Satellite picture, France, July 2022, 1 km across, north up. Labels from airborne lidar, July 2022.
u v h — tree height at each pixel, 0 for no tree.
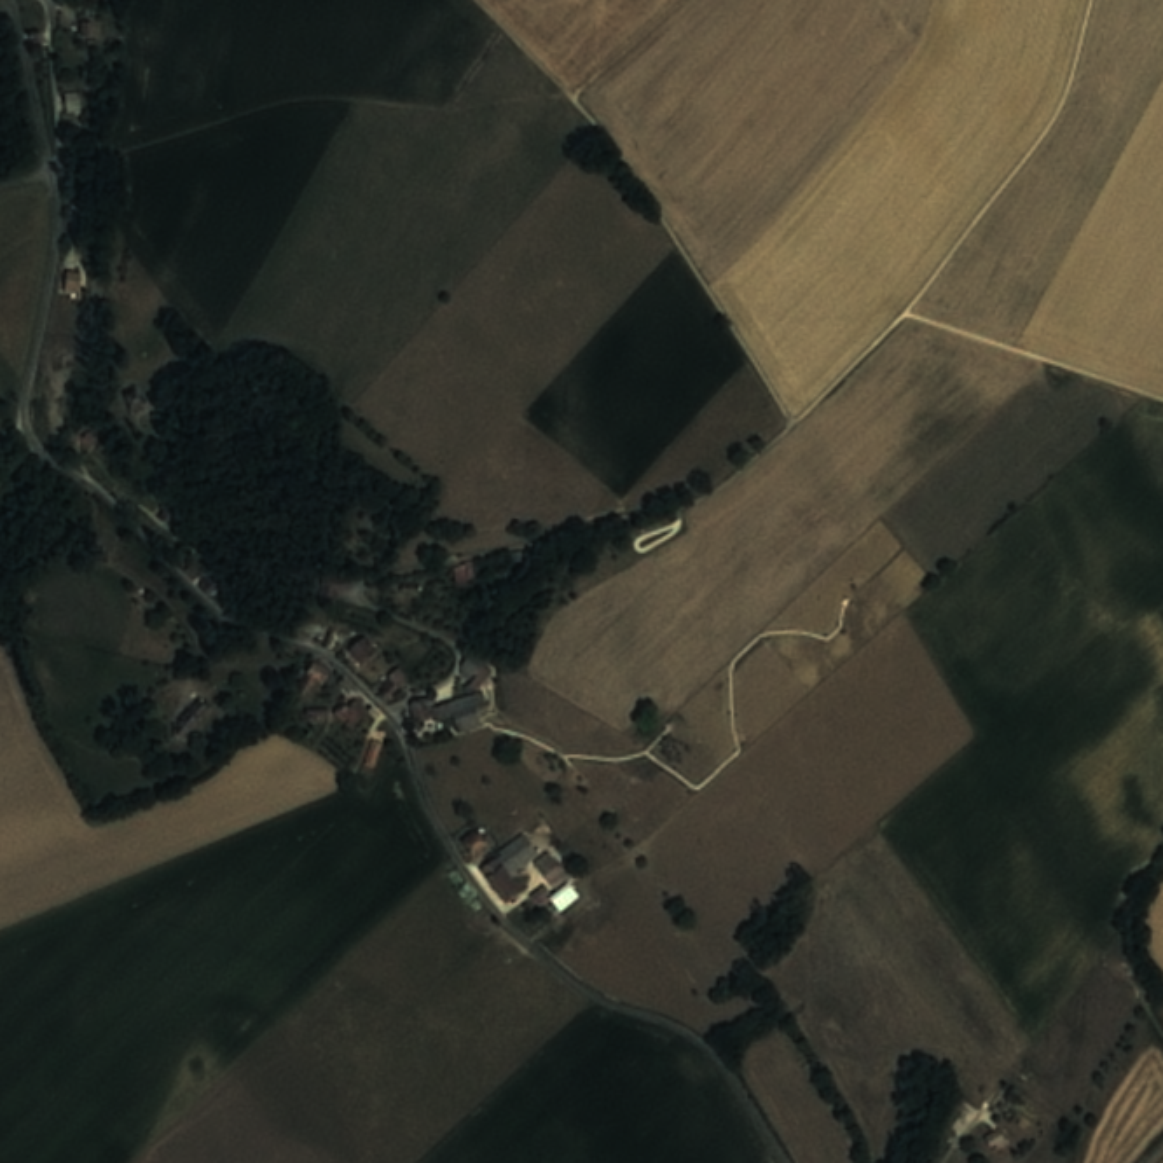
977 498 0
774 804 0
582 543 20
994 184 0
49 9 0
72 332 0
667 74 0
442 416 0
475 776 0
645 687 0
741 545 0
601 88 0
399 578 10
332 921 0
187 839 0
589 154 25
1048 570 0
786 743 0
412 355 0
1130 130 0
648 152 0
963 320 0
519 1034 0
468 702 0
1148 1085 0
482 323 0
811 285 0
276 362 25
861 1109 0
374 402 0
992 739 0
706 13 0
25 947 0
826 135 0
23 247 0
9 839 0
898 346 0
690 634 0
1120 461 0
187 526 21
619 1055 0
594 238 0
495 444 0
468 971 0
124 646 0
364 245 0
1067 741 0
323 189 0
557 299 0
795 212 0
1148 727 0
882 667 0
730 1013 0
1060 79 0
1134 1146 0
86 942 0
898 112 0
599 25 0
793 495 0
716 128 0
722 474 0
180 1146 0
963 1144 8
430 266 0
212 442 19
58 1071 0
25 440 11
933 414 0
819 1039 0
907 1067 14
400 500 17
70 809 0
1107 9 0
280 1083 0
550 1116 0
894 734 0
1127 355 0
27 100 29
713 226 0
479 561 11
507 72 0
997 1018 0
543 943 0
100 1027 0
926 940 0
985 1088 0
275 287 0
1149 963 18
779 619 0
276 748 0
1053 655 0
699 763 0
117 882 0
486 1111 0
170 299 0
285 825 0
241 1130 0
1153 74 0
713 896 0
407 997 0
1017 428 0
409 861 0
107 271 19
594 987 0
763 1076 0
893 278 0
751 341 0
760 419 0
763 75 0
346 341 0
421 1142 0
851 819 0
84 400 32
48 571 6
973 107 0
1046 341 0
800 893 17
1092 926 0
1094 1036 0
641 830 0
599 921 0
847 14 0
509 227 0
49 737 10
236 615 24
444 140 0
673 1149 0
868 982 0
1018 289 0
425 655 0
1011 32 0
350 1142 0
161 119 0
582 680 0
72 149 12
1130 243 0
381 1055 0
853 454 0
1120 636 0
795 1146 0
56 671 0
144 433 14
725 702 0
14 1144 0
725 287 0
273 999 0
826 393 0
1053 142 0
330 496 26
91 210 26
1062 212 0
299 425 25
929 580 9
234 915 0
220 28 0
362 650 0
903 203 0
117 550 0
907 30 0
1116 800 0
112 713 20
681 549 0
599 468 0
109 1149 0
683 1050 0
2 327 0
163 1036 0
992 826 0
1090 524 0
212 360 25
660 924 0
